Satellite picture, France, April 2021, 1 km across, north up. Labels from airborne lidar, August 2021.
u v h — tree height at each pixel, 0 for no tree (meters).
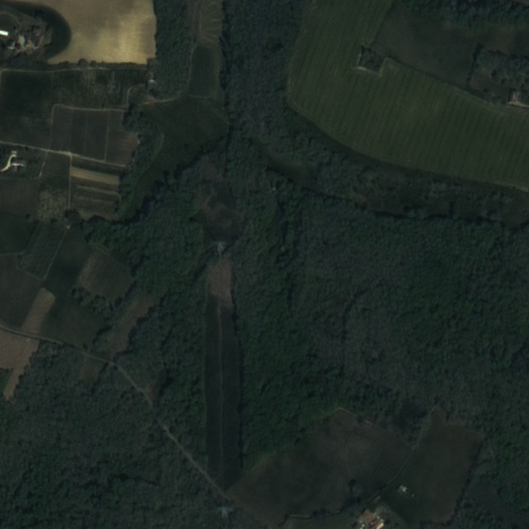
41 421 22
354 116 0
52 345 8
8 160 0
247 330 24
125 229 21
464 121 0
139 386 18
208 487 16
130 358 16
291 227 20
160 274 23
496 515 19
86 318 0
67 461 16
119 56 0
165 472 13
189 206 15
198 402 23
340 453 0
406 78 0
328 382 23
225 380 6
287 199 12
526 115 0
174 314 19
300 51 0
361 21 0
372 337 15
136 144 0
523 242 21
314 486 0
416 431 10
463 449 0
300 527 0
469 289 18
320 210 28
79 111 0
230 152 15
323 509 0
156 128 14
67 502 24
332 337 13
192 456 13
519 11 23
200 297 21
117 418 21
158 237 22
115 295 0
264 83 19
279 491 0
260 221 20
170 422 18
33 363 13
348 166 12
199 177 17
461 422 15
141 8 0
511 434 22
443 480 0
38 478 25
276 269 19
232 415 7
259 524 15
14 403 20
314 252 19
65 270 0
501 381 19
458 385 18
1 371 11
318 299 8
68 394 20
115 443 23
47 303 0
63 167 0
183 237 20
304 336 19
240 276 20
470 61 0
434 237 23
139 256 14
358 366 20
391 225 20
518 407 23
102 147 0
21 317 0
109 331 13
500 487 17
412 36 0
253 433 22
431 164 0
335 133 0
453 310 11
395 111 0
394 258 19
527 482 22
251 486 0
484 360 19
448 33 0
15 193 0
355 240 18
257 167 13
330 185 21
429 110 0
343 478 0
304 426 25
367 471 0
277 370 27
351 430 0
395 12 0
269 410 26
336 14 0
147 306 0
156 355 20
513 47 0
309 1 11
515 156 0
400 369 16
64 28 0
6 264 0
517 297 21
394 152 0
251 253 18
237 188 15
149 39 0
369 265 21
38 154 11
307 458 0
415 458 0
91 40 0
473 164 0
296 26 11
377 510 0
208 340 7
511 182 0
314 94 0
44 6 0
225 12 9
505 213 17
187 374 24
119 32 0
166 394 18
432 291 19
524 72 15
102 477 23
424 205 8
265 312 22
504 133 0
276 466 0
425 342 14
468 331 17
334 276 19
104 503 23
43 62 9
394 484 0
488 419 19
